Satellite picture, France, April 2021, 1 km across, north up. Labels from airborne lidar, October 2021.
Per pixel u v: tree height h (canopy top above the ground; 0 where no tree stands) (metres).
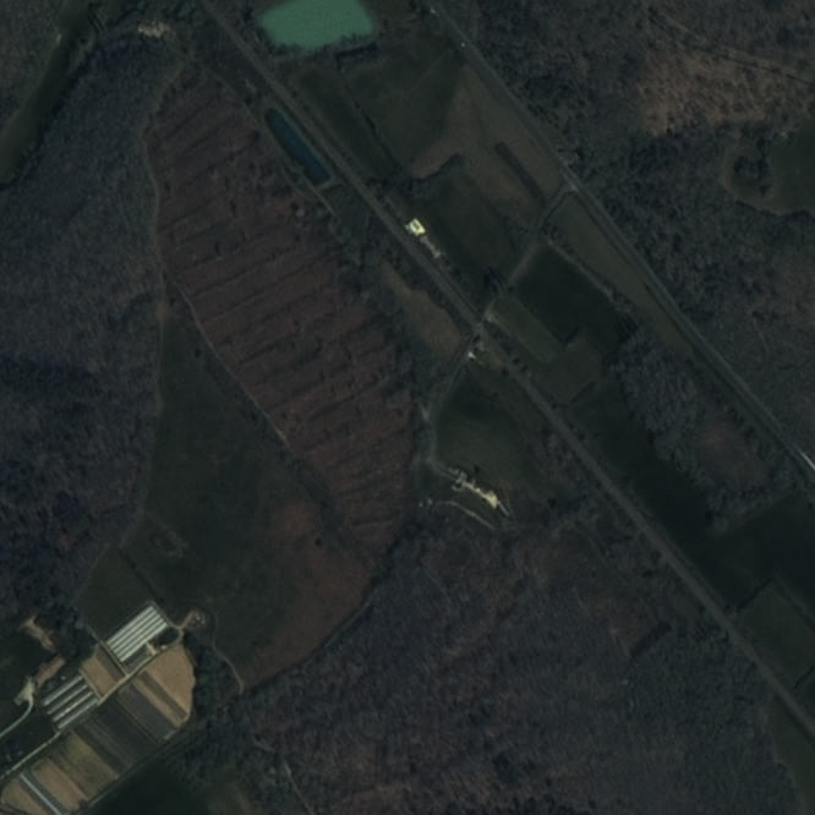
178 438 0
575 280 0
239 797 0
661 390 32
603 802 11
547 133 0
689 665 27
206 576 0
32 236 16
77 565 14
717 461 0
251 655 0
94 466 11
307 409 0
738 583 0
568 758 14
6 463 17
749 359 19
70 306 19
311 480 6
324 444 7
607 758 13
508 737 11
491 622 9
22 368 21
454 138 0
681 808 17
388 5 0
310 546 0
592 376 0
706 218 26
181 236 0
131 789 0
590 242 0
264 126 0
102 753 0
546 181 0
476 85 0
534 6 16
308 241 9
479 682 8
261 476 0
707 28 17
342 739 14
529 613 16
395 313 18
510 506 0
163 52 17
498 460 0
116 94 15
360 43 12
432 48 0
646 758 19
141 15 10
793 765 0
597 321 0
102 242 20
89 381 15
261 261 6
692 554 0
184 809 0
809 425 20
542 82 15
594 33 19
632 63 18
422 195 11
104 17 0
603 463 7
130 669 0
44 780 0
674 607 0
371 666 9
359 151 0
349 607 0
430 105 0
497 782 10
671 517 0
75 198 14
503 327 0
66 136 19
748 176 12
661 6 18
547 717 18
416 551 21
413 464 19
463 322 11
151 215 18
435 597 11
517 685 16
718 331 17
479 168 0
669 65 15
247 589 0
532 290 0
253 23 17
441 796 8
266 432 10
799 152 0
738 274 21
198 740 9
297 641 0
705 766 20
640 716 18
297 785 8
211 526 0
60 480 14
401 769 11
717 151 17
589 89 13
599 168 18
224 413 0
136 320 16
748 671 12
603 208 12
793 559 0
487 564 23
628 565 18
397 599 14
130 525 14
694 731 22
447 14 17
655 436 13
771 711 0
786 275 23
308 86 0
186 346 0
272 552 0
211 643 0
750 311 16
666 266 11
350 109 0
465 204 0
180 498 0
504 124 0
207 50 8
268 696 20
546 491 0
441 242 0
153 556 0
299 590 0
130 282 16
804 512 0
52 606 14
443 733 11
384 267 0
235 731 15
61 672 10
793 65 20
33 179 12
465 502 0
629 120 18
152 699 0
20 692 0
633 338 20
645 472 0
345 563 0
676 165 23
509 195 0
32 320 18
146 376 11
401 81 0
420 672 17
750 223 22
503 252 0
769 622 0
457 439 0
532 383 6
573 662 15
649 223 6
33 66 23
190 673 0
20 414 17
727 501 14
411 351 16
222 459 0
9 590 20
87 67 9
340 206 6
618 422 0
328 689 8
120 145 13
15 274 18
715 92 19
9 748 0
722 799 17
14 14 21
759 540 0
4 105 27
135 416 14
